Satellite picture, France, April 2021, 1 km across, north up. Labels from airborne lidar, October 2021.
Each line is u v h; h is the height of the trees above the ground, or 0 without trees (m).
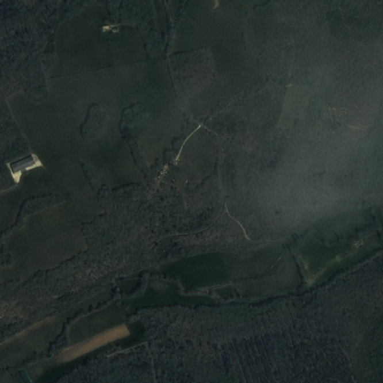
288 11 13
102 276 7
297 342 20
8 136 16
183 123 0
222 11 0
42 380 0
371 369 18
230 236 9
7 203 0
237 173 14
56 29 6
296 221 10
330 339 15
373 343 19
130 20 20
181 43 0
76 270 14
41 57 19
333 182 10
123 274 17
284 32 8
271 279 0
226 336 15
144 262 22
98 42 0
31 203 16
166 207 8
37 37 20
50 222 0
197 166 0
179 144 20
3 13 13
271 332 15
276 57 8
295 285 0
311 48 16
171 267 0
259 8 13
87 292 19
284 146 9
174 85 14
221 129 9
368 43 12
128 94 0
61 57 0
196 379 10
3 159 12
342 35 7
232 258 0
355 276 13
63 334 9
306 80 12
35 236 0
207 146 0
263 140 15
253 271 0
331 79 11
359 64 9
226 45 0
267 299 0
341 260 0
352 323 13
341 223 0
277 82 12
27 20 14
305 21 13
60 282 17
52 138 0
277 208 11
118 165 0
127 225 17
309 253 0
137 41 0
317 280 0
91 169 0
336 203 11
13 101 0
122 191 17
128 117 14
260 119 18
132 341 0
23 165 0
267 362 16
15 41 13
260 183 7
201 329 9
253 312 19
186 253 12
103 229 13
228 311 21
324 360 20
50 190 0
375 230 18
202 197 17
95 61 0
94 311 14
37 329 0
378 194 14
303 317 9
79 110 0
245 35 9
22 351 0
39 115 0
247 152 9
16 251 0
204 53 12
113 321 0
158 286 0
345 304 13
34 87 24
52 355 19
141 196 16
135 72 0
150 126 0
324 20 12
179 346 11
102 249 12
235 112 7
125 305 13
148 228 10
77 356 0
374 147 15
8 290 19
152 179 18
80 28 0
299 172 8
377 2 10
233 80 0
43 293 18
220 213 12
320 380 18
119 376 15
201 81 12
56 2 15
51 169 0
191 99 0
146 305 0
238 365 13
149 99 0
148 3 19
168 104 0
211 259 0
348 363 17
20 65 14
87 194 0
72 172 0
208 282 0
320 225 0
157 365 16
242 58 0
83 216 0
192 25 0
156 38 19
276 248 0
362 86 9
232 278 0
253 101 13
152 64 0
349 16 7
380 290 9
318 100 13
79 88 0
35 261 0
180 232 10
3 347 0
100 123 20
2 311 10
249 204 8
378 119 12
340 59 9
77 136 0
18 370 0
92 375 12
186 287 0
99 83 0
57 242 0
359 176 14
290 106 0
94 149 0
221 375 13
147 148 0
